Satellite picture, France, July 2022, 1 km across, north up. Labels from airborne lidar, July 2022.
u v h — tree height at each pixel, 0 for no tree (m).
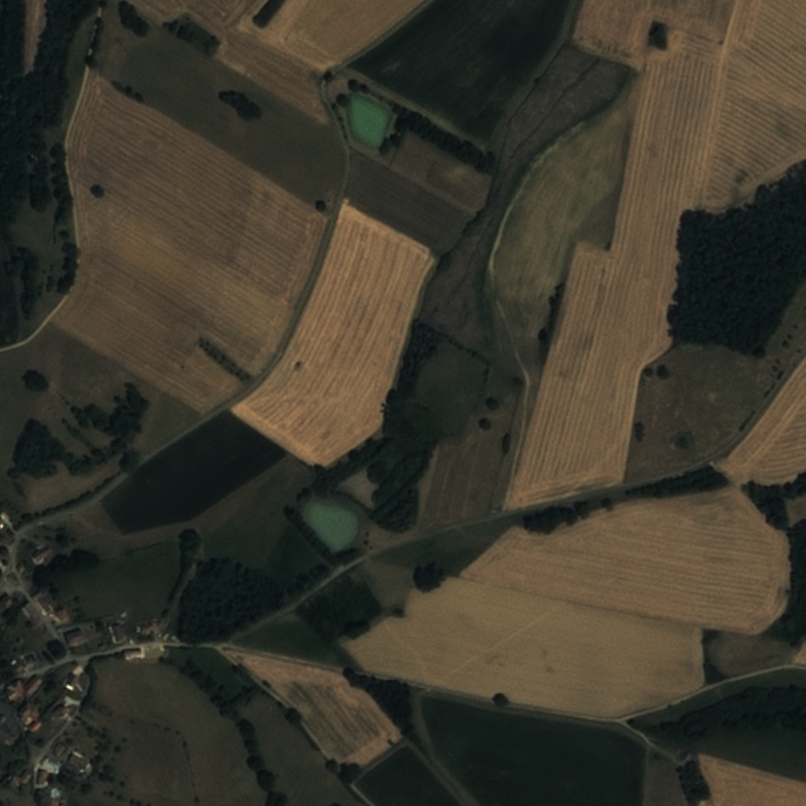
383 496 14
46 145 15
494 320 0
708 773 0
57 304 0
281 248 0
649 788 0
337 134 0
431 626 0
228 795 0
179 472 0
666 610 0
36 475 17
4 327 0
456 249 0
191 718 0
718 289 30
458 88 0
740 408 0
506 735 0
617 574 0
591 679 0
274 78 0
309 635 0
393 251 0
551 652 0
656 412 0
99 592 0
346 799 0
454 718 0
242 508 0
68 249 16
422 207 0
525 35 0
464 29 0
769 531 0
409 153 0
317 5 0
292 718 18
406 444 0
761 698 6
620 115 0
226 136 0
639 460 0
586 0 0
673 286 0
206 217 0
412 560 0
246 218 0
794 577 12
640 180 0
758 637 0
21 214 0
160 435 0
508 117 0
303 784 0
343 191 0
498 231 0
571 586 0
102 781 7
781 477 0
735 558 0
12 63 18
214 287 0
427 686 0
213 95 0
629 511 0
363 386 0
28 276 17
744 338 22
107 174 0
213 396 0
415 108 0
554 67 0
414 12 0
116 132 0
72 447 0
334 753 0
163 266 0
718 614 0
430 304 0
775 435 0
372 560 0
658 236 0
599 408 0
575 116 0
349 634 16
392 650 0
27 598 0
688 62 0
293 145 0
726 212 0
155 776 0
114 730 0
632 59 0
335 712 0
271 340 0
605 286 0
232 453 0
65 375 0
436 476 0
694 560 0
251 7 0
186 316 0
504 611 0
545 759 0
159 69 0
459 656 0
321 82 0
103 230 0
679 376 0
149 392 0
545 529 21
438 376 0
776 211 24
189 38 6
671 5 0
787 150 0
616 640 0
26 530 0
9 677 13
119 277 0
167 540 0
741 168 0
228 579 18
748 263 30
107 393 0
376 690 12
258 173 0
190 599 7
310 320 0
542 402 0
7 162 20
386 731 0
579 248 0
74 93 0
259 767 17
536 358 0
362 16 0
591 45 0
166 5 0
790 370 0
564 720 0
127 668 0
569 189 0
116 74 0
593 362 0
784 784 0
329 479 9
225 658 0
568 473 0
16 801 0
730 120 0
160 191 0
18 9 17
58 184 16
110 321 0
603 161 0
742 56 0
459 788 0
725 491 0
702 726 14
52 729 0
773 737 0
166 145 0
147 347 0
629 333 0
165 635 0
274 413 0
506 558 0
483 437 0
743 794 0
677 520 0
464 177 0
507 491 0
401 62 0
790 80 0
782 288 32
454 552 0
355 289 0
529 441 0
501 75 0
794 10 0
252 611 9
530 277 0
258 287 0
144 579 0
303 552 0
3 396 0
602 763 0
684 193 0
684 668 0
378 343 0
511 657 0
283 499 0
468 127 0
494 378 0
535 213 0
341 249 0
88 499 8
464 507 0
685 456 0
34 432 20
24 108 18
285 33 0
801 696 6
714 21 0
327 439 0
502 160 0
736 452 0
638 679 0
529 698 0
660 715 0
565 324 0
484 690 0
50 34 17
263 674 0
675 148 0
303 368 0
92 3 17
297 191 0
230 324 0
